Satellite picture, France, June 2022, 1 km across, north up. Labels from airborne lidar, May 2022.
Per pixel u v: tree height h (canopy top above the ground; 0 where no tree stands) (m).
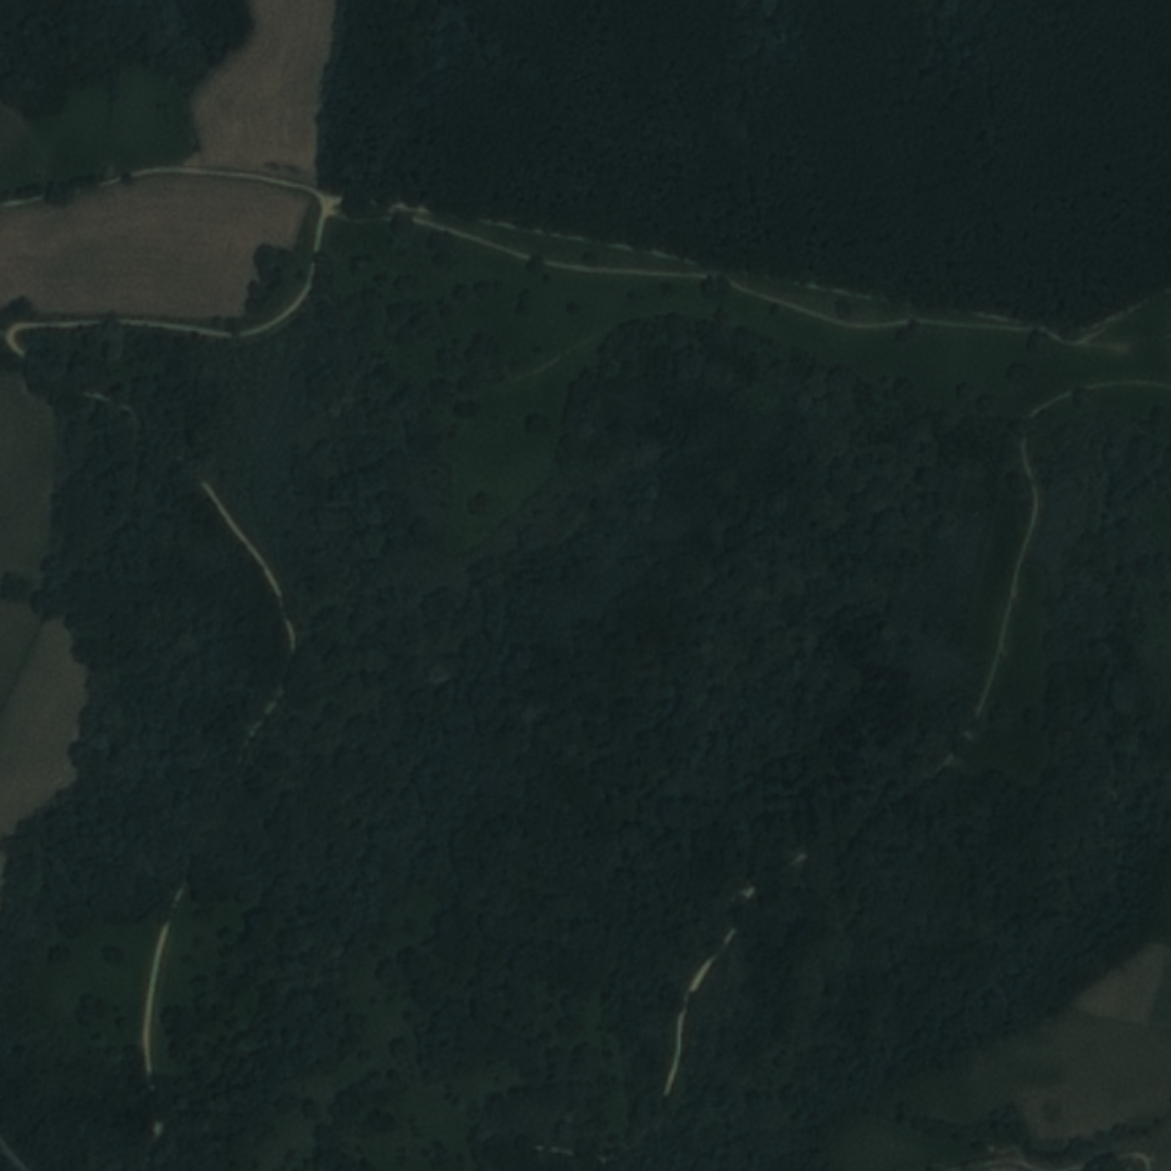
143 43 19
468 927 14
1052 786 12
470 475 0
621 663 13
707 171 18
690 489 5
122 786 22
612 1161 9
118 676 16
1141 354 0
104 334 10
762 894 14
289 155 0
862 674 11
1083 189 17
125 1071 6
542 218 17
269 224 0
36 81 14
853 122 17
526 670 15
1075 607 22
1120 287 20
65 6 17
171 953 0
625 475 7
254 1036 10
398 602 19
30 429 0
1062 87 23
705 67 18
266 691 16
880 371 0
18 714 0
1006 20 22
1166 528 0
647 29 17
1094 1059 0
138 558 26
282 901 23
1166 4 21
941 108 27
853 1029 13
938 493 16
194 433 17
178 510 19
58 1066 6
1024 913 13
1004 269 22
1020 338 0
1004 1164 0
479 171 19
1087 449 7
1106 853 27
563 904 19
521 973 17
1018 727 0
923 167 21
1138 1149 0
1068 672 15
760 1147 21
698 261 16
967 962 12
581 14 19
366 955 16
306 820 21
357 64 20
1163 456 17
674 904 11
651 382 7
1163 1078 0
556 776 16
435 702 20
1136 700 14
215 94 0
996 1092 0
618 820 20
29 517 0
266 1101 15
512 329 0
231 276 0
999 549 0
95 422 21
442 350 7
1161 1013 0
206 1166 20
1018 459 12
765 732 25
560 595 12
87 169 0
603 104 19
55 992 0
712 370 16
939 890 6
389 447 10
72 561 19
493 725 15
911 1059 25
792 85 21
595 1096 12
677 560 11
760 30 10
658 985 15
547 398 0
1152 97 19
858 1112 9
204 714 17
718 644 21
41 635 0
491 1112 17
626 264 0
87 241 0
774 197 20
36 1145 15
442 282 0
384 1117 18
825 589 13
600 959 22
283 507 11
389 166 21
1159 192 20
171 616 8
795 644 7
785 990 15
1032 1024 14
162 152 0
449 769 23
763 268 17
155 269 0
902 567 27
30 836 14
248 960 8
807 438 11
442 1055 24
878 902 17
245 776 11
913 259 22
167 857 13
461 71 23
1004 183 21
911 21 30
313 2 0
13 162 0
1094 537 8
